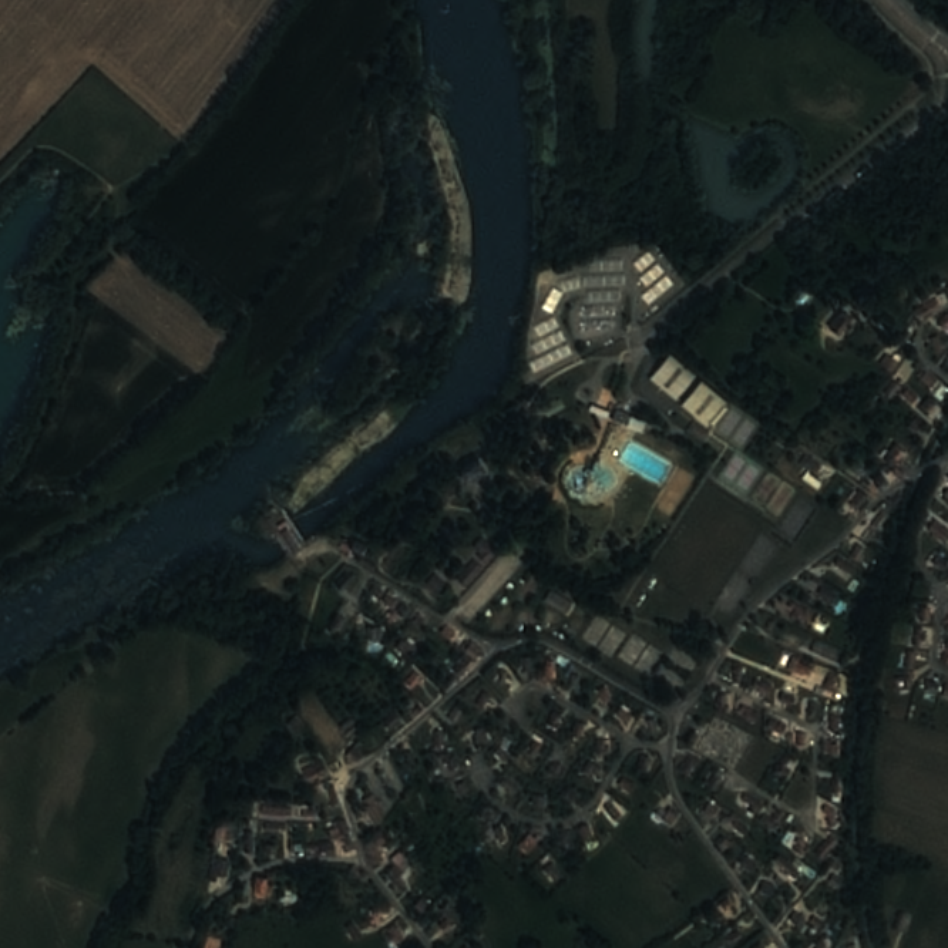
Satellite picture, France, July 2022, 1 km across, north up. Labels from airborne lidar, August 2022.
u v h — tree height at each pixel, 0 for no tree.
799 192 9
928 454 14
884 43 8
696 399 0
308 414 0
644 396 0
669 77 7
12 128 0
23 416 23
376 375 18
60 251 12
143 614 9
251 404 0
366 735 13
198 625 20
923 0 14
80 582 0
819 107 0
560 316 0
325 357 0
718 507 0
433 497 21
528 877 8
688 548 0
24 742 0
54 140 0
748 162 11
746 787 0
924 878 0
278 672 25
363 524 21
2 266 0
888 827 0
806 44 0
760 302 0
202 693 0
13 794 0
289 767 18
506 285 0
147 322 0
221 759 7
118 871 0
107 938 16
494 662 7
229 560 29
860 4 8
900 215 9
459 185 0
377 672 6
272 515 0
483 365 0
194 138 16
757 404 14
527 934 0
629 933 0
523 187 0
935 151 20
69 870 0
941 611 0
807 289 10
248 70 23
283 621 29
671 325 11
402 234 12
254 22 0
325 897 16
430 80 0
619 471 0
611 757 6
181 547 0
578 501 0
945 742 0
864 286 9
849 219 18
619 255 0
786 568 0
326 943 0
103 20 0
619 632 0
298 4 18
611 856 0
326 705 6
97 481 19
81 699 0
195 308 6
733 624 0
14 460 15
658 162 17
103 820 0
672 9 15
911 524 18
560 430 23
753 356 9
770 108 0
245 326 18
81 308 16
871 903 6
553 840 10
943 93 0
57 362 14
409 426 0
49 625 0
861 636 23
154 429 20
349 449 0
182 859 0
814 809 0
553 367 0
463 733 0
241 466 0
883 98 0
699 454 10
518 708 0
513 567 0
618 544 12
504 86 0
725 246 17
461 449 0
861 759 20
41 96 0
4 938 0
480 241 0
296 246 12
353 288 27
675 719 0
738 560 0
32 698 0
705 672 0
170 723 0
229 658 0
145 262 16
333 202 12
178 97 0
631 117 7
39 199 0
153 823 11
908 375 0
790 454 7
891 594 20
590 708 8
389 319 14
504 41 0
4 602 0
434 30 0
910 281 19
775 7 21
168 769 14
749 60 0
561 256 14
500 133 0
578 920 12
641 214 6
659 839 0
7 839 0
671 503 0
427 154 16
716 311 14
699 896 0
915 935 0
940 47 0
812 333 27
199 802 0
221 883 0
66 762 0
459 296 0
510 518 15
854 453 15
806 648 0
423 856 7
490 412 17
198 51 0
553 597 0
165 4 0
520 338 16
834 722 0
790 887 7
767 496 0
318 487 0
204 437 0
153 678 0
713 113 0
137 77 0
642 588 0
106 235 9
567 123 6
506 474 8
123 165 0
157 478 0
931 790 0
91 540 13
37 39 0
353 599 0
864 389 9
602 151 12
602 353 0
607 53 0
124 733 0
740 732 0
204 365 0
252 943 0
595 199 21
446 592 13
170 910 0
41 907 0
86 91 0
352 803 9
